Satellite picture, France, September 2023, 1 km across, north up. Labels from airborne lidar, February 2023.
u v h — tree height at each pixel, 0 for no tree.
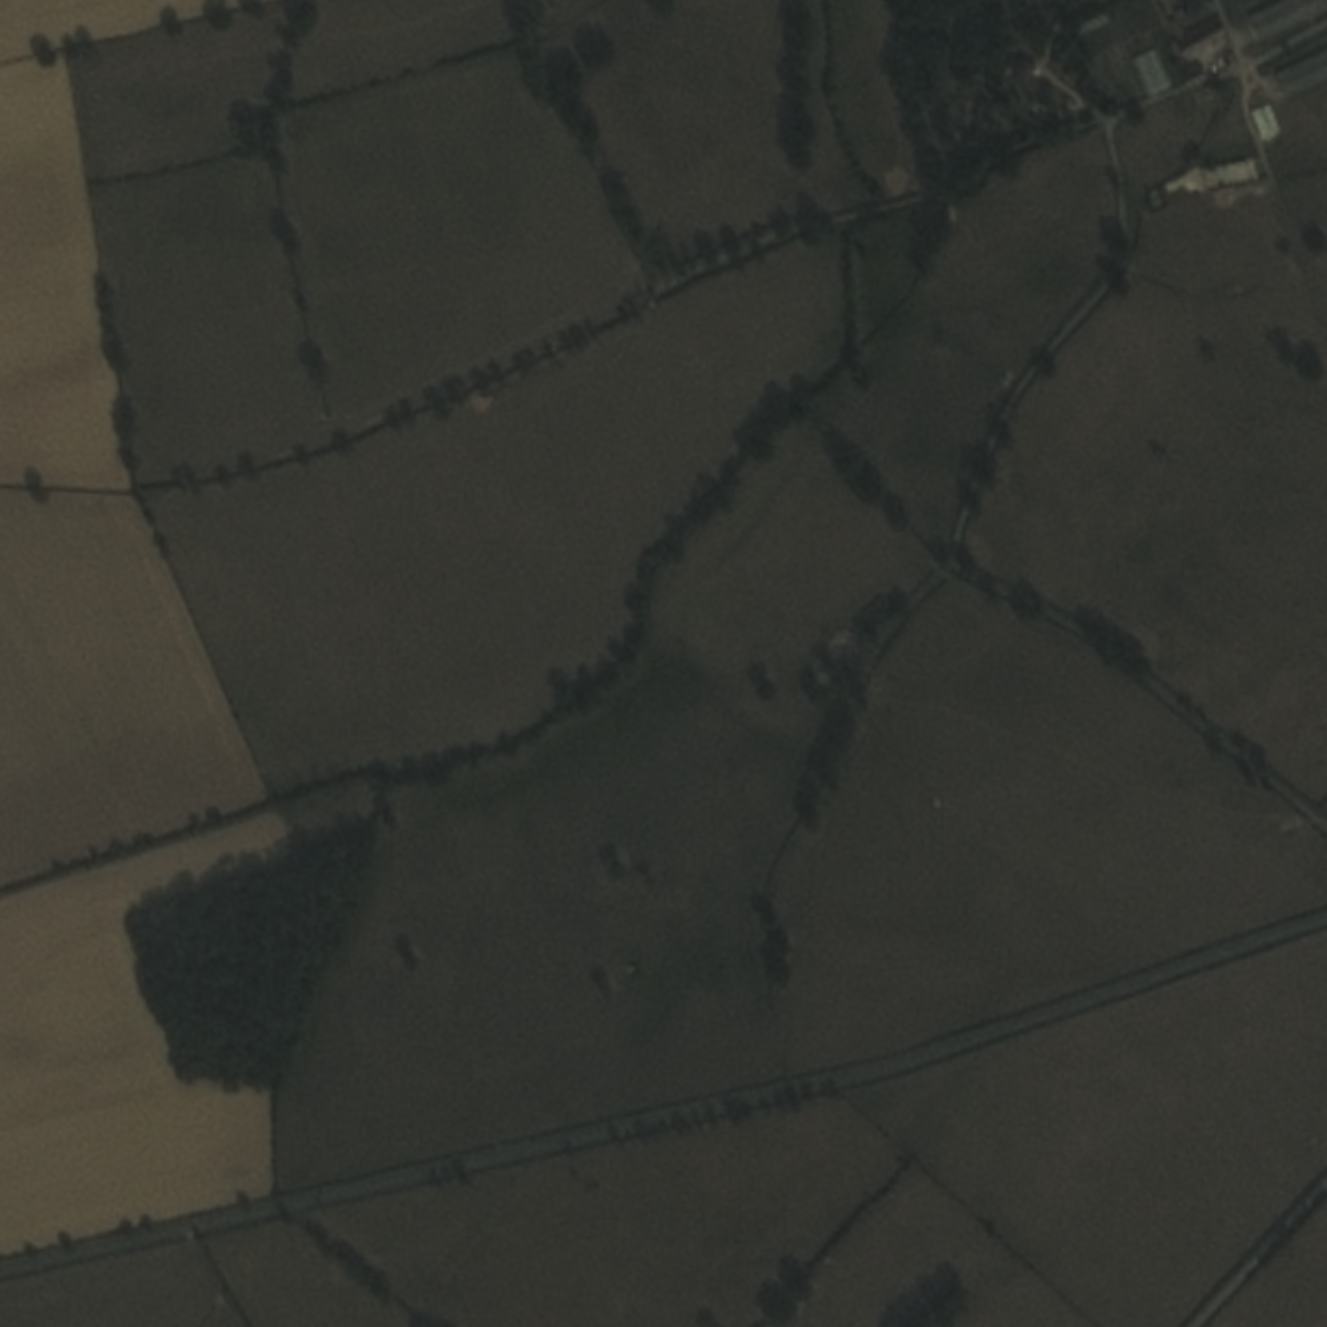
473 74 0
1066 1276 0
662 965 0
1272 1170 0
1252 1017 0
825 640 0
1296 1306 0
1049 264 0
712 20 0
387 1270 0
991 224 0
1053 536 0
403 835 0
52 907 0
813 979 0
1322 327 0
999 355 0
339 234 0
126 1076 0
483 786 0
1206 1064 0
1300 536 0
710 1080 0
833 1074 0
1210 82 8
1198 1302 0
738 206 0
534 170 0
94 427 0
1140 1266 0
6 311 0
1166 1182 0
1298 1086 0
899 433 0
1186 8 9
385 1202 0
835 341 0
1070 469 0
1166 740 0
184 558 0
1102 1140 0
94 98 0
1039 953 0
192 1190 0
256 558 0
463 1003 0
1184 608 0
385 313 0
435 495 0
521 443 0
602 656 0
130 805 0
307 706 0
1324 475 0
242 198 0
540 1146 0
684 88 0
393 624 0
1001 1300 0
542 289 0
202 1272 0
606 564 0
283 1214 13
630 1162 0
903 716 0
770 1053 0
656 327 0
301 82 0
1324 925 0
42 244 0
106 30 0
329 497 0
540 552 0
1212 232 0
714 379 0
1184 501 0
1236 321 0
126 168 0
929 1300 21
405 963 15
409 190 0
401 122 0
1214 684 0
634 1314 0
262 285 0
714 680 0
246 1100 0
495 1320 0
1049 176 0
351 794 0
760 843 0
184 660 0
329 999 0
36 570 0
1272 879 0
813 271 0
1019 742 0
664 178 0
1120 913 0
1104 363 0
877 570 0
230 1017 20
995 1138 0
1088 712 0
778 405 17
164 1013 19
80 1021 0
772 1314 14
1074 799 0
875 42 0
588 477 0
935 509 0
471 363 0
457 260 0
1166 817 0
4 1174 0
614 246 0
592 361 0
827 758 17
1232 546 0
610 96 0
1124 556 0
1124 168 0
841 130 8
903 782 0
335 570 0
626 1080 0
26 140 0
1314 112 0
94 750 0
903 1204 0
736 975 0
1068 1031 0
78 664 0
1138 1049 0
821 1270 0
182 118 0
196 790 0
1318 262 0
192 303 0
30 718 0
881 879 0
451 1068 0
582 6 0
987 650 0
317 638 0
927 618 0
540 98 16
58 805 0
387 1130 0
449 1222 0
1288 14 0
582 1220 0
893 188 0
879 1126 0
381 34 0
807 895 0
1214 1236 0
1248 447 0
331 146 0
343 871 20
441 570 0
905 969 0
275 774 0
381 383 0
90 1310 0
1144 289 0
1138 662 20
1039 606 19
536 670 0
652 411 0
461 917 0
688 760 0
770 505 0
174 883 0
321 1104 0
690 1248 0
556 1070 0
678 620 0
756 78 0
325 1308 0
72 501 0
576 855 0
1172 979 0
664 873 0
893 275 0
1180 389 0
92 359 0
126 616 0
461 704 0
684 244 0
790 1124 0
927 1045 0
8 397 0
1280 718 0
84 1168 0
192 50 0
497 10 0
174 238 0
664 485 0
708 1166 0
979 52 13
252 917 22
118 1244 0
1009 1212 0
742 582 0
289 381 0
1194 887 0
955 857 0
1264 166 0
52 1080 0
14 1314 0
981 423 0
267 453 0
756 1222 0
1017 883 0
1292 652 0
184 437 0
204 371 0
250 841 0
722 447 0
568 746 0
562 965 0
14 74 0
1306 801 0
